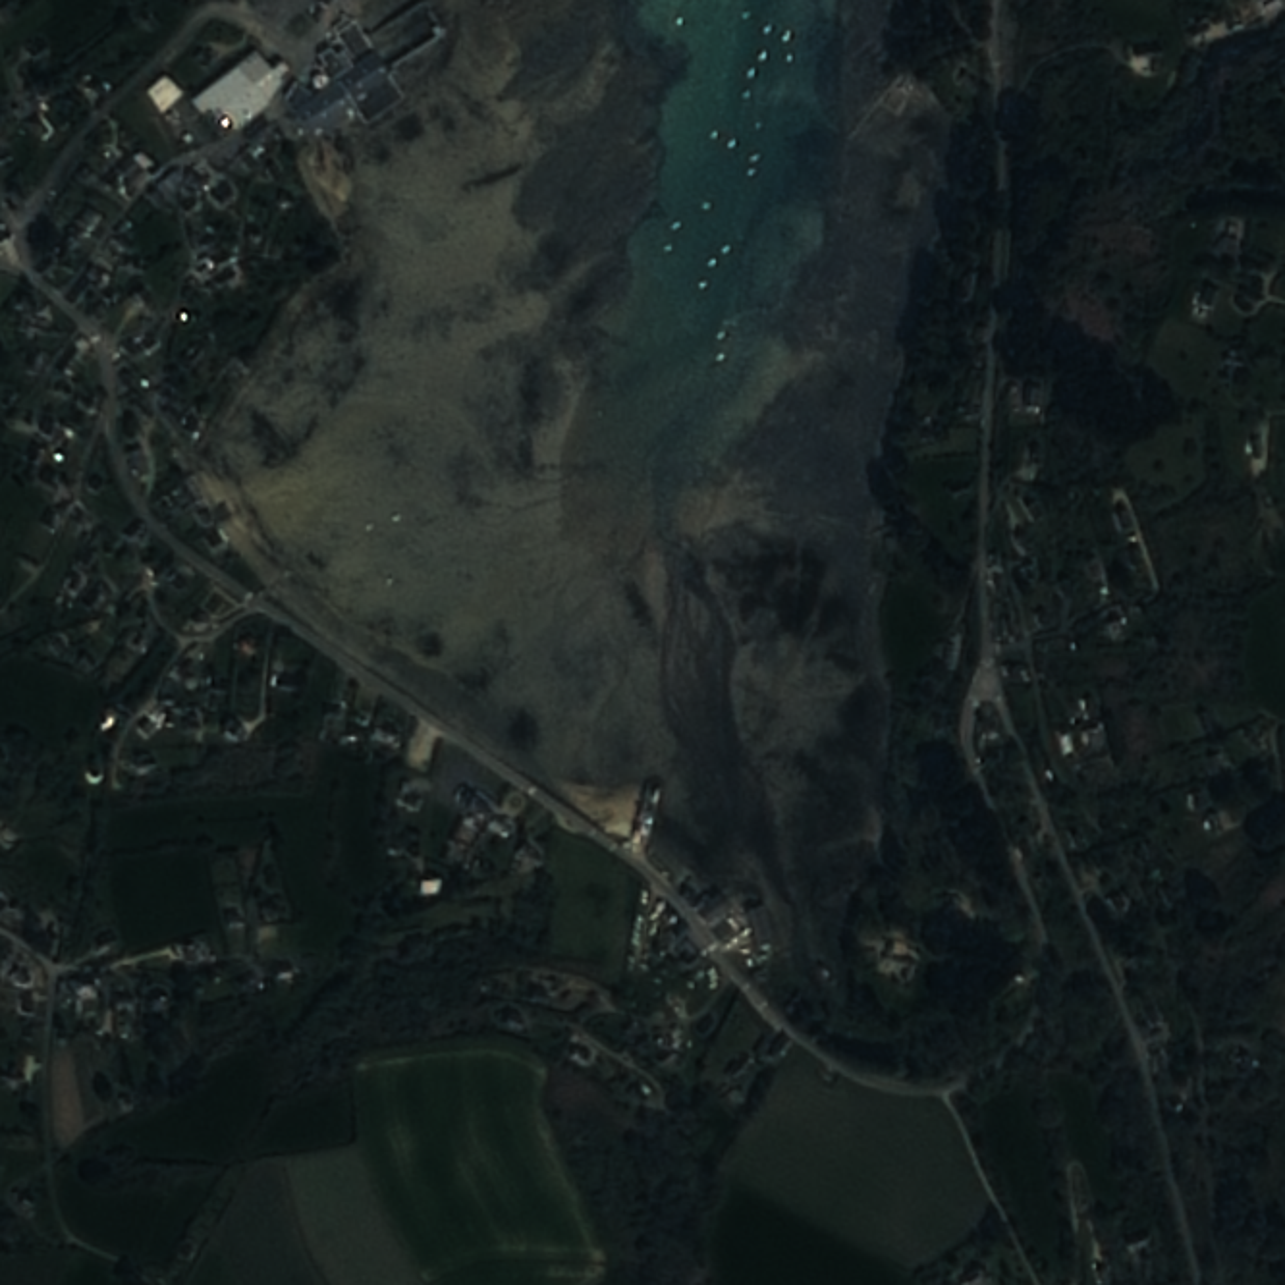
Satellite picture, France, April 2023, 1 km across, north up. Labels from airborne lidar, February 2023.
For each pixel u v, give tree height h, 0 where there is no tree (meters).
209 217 0
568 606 0
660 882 0
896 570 12
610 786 0
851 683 0
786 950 0
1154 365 0
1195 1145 10
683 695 0
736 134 0
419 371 0
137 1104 7
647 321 0
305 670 6
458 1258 0
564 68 0
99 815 11
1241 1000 12
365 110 0
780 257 0
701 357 0
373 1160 0
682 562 0
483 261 0
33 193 0
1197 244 0
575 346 0
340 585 0
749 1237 0
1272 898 0
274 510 0
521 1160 0
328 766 0
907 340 15
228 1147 0
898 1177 0
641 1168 13
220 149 0
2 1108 0
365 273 0
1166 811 11
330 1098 0
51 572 0
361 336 0
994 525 0
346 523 0
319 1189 0
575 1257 0
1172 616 6
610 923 0
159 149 0
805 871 0
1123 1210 9
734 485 0
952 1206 0
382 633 0
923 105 0
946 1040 18
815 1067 0
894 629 0
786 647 0
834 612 0
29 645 6
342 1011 9
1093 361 19
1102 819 8
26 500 0
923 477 0
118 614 9
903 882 26
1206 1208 0
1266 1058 11
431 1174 0
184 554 0
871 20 0
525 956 7
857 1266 0
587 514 0
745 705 0
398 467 0
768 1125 0
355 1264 0
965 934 28
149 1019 7
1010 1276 15
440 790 0
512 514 0
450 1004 5
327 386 0
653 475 0
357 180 0
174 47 0
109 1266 0
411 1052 0
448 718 0
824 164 0
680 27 0
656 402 0
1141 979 8
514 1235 0
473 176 0
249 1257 0
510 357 0
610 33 0
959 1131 0
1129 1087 20
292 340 0
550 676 0
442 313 0
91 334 0
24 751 13
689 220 0
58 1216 0
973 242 23
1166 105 6
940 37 11
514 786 0
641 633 0
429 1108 0
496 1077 0
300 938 0
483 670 0
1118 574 11
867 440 0
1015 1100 0
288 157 7
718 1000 0
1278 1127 0
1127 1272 10
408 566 0
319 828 0
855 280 0
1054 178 20
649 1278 9
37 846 0
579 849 0
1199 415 7
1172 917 7
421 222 0
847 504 0
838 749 0
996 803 10
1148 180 6
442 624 0
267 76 0
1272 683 0
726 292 0
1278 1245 18
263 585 0
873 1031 0
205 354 10
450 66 0
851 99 0
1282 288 0
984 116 7
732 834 0
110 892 0
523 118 0
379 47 0
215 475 0
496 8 0
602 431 0
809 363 0
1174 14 0
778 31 0
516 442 0
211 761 6
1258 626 0
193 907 0
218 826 0
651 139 0
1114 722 7
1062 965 17
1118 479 6
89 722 0
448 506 0
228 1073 0
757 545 0
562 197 0
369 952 10
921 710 8
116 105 0
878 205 0
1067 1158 8
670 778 0
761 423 0
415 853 6
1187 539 0
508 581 0
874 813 0
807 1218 0
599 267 0
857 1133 0
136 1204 0
